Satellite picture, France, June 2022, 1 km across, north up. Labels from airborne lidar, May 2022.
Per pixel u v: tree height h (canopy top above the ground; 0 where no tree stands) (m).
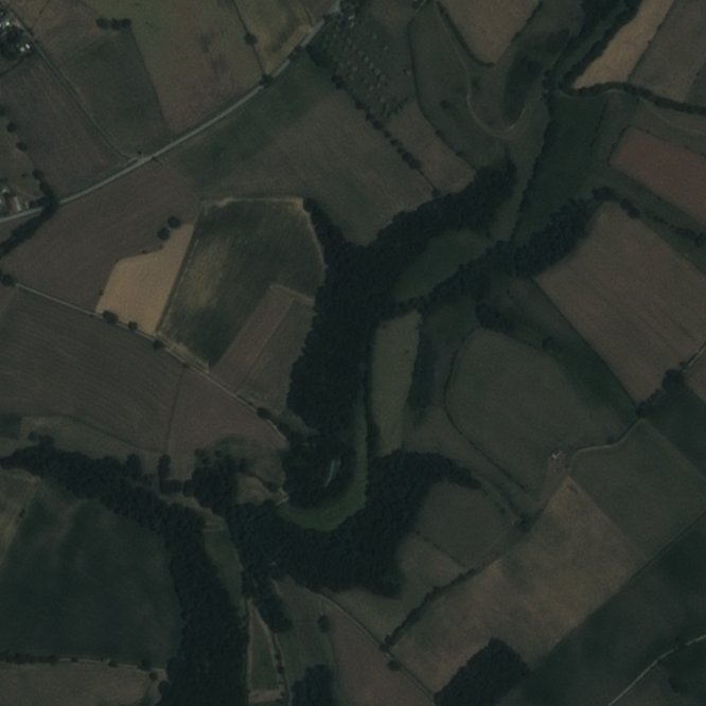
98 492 31
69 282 0
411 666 0
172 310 0
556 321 0
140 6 0
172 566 10
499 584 0
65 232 0
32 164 0
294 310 0
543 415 0
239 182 0
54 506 0
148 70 0
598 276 0
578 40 7
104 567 0
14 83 0
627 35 0
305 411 16
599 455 0
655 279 0
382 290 29
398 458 19
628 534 0
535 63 11
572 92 7
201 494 25
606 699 0
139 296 0
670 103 7
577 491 0
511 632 0
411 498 22
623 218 0
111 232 0
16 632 0
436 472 20
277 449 0
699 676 0
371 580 17
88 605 0
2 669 0
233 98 0
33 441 10
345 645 0
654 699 0
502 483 0
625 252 0
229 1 0
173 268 0
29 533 0
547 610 0
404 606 0
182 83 0
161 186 0
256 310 0
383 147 0
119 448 0
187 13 0
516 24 0
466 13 0
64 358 0
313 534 22
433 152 0
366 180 0
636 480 0
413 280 0
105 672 0
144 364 0
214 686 31
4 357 0
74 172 0
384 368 0
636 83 0
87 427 0
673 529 0
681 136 0
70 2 0
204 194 0
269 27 0
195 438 0
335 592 18
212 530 0
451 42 0
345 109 0
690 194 0
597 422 0
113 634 0
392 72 0
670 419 0
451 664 0
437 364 0
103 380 0
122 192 0
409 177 0
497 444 0
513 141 0
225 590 24
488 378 0
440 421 0
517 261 24
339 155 0
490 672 19
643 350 0
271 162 0
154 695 0
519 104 0
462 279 22
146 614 0
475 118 0
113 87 0
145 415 0
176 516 19
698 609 0
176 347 0
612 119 0
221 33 0
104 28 12
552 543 0
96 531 0
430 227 27
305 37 0
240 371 0
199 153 0
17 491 0
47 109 0
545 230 0
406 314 16
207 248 0
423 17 0
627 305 0
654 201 0
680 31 0
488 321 24
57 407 0
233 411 0
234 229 0
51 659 11
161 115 0
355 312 24
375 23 0
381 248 16
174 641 0
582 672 0
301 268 0
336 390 20
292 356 0
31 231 18
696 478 0
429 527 0
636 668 0
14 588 0
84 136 0
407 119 0
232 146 0
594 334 0
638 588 0
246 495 0
